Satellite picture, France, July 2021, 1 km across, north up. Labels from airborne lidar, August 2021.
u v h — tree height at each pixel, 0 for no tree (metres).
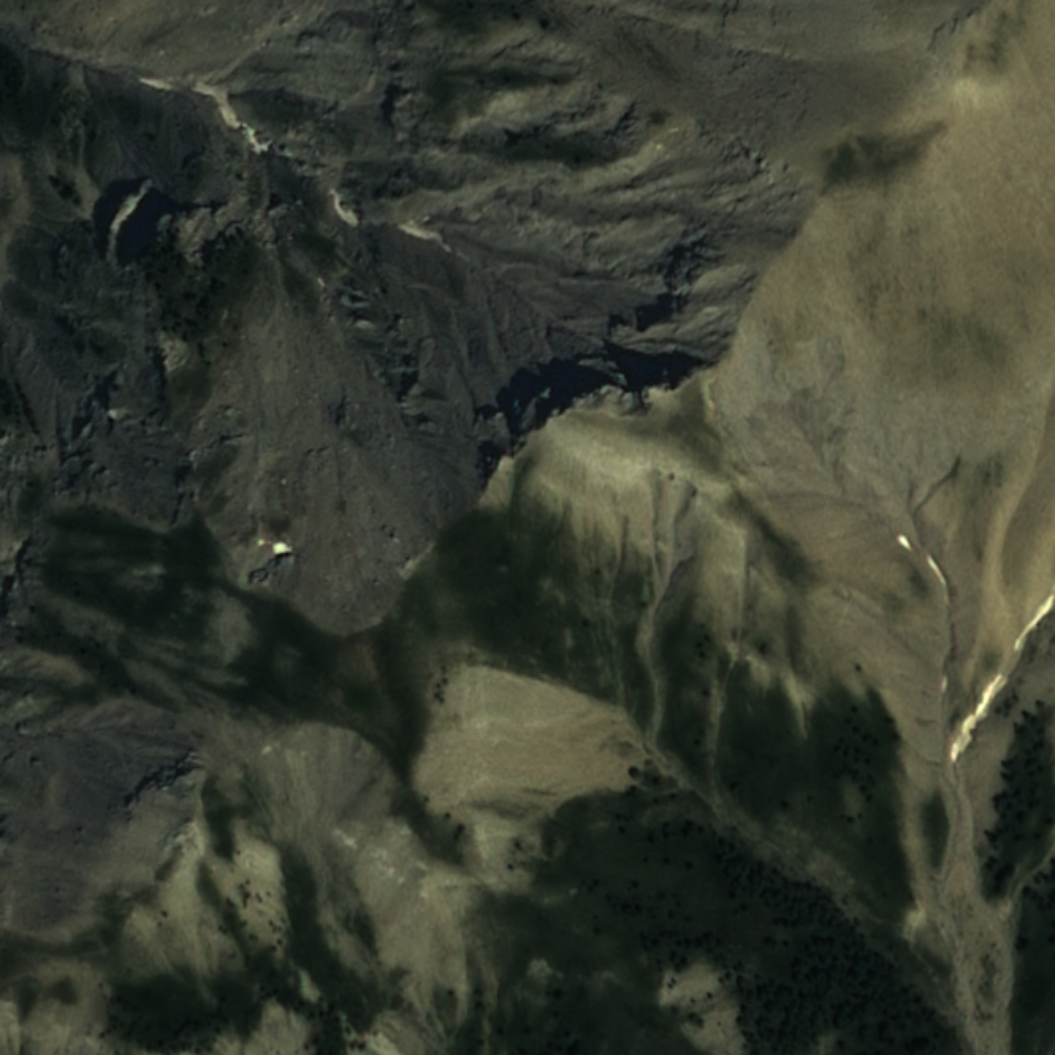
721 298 0
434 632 0
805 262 0
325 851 0
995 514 0
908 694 0
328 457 0
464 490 0
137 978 0
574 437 0
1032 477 0
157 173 0
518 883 0
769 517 0
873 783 7
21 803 0
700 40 0
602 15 0
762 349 0
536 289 0
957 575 0
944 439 0
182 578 0
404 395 0
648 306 0
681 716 0
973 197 0
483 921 0
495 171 0
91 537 0
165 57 0
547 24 8
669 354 0
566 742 0
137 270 0
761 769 0
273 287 0
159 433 0
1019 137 0
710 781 0
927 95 0
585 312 0
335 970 0
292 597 0
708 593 0
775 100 0
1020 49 0
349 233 0
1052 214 0
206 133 0
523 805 0
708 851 0
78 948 0
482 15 0
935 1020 11
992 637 0
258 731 0
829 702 0
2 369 0
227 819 0
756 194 0
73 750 0
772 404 0
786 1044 11
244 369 0
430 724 0
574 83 0
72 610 0
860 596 0
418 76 0
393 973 0
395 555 0
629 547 0
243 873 0
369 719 0
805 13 0
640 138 0
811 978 17
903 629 0
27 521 0
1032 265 0
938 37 0
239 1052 0
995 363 0
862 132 0
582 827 0
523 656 0
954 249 0
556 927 0
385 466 0
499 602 0
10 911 0
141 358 0
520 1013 0
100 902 0
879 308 0
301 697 0
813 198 0
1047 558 0
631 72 0
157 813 0
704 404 0
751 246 0
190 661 0
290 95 0
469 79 0
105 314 0
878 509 0
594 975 0
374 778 0
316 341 0
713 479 0
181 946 0
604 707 0
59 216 0
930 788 0
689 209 0
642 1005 0
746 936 0
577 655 0
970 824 0
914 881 0
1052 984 0
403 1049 0
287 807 0
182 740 0
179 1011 0
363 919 0
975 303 0
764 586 0
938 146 0
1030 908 0
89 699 0
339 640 0
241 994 0
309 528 0
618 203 0
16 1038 0
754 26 0
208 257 12
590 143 0
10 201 0
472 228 0
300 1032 0
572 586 0
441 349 0
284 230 0
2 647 0
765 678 0
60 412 0
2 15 0
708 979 0
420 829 0
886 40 0
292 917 0
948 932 0
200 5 0
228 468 0
